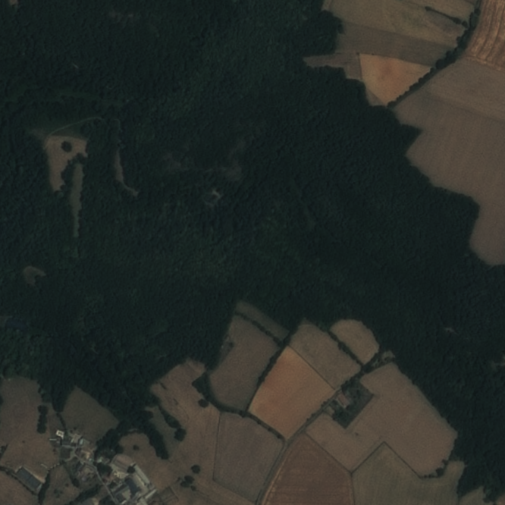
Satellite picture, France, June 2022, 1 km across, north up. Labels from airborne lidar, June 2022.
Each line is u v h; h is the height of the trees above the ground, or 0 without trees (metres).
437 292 20
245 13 14
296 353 0
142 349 7
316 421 0
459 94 0
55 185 0
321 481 0
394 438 0
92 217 19
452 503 0
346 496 0
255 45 14
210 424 0
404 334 17
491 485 14
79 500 9
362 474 0
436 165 0
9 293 15
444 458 0
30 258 19
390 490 0
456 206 14
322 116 18
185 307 17
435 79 0
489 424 28
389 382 0
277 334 0
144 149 21
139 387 18
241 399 0
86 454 0
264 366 0
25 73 18
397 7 0
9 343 16
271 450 0
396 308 13
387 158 17
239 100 11
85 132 15
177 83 18
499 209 0
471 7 0
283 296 12
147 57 17
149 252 14
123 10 8
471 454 20
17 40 13
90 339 19
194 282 18
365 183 13
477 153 0
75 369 10
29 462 0
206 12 17
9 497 0
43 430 15
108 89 10
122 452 16
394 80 0
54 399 11
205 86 16
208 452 0
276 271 20
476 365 11
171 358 15
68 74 24
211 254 19
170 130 9
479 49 0
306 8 13
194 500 0
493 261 0
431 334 25
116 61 17
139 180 20
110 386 28
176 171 7
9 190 24
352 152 19
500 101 0
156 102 16
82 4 18
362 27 0
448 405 16
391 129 14
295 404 0
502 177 0
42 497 13
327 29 19
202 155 11
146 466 0
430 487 0
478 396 23
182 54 17
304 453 0
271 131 18
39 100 28
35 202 19
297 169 19
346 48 0
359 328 0
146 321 17
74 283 15
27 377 12
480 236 0
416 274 15
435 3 0
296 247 11
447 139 0
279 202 6
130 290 12
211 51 15
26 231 19
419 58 0
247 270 18
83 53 22
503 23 0
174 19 17
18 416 0
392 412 0
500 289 13
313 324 10
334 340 8
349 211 12
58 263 9
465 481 22
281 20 16
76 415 0
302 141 16
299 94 14
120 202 17
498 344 20
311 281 19
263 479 0
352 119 19
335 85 16
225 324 12
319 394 0
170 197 15
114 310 19
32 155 22
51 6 14
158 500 0
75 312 22
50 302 17
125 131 24
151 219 17
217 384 0
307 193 23
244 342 0
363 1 0
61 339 22
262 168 18
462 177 0
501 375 14
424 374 15
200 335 11
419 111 0
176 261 16
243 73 16
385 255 11
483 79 0
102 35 17
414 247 20
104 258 13
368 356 0
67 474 0
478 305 15
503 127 0
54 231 15
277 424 0
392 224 14
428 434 0
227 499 0
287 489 0
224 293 19
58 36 20
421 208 15
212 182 20
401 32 0
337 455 0
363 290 14
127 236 12
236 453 0
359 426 0
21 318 23
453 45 0
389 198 10
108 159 22
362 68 0
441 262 13
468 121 0
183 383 0
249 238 18
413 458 0
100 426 0
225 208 29
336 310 7
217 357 8
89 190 13
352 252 19
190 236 16
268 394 0
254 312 0
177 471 0
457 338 24
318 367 0
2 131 24
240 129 8
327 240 15
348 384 9
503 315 17
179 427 13
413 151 0
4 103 18
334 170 21
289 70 14
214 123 9
